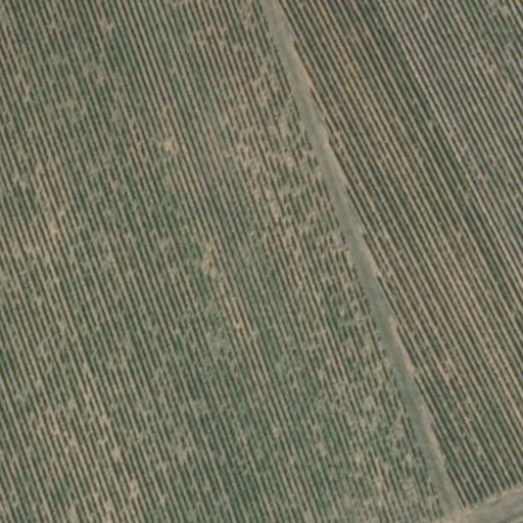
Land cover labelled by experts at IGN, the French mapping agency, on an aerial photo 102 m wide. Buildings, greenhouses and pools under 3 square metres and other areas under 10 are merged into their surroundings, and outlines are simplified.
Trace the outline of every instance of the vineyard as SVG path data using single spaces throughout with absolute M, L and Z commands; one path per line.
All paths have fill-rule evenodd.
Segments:
M 501 492 L 523 482 L 523 0 L 0 0 L 0 523 L 419 523 L 421 519 L 443 519 L 460 507 L 476 505 L 484 501 L 488 494 Z

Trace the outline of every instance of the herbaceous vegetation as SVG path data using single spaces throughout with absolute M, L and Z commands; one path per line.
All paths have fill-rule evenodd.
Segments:
M 460 507 L 443 519 L 421 519 L 419 523 L 523 523 L 523 482 L 501 492 L 488 494 L 484 501 L 476 505 Z

